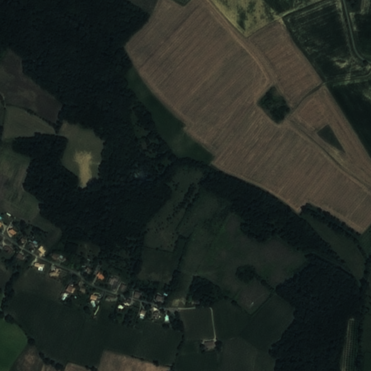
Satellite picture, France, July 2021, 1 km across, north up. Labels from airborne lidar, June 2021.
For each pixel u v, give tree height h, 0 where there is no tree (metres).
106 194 20
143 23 17
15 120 0
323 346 25
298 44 0
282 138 0
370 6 0
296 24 0
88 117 13
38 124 0
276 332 0
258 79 0
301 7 0
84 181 0
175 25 0
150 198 17
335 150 0
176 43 0
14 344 0
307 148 0
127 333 0
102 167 19
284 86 0
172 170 16
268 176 0
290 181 0
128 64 23
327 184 0
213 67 0
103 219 23
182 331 13
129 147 22
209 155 0
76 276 10
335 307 23
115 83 23
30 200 0
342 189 0
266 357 0
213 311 0
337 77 0
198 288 15
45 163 23
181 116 0
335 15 0
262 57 0
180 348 11
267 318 0
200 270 0
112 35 21
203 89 0
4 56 0
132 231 13
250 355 0
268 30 0
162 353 0
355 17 0
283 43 0
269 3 0
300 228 18
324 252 16
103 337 0
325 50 0
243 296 0
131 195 18
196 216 0
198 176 0
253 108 0
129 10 26
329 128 0
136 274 15
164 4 0
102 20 28
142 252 9
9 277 0
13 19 26
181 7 0
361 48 0
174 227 0
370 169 0
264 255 0
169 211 0
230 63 0
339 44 0
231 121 0
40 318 0
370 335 0
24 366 0
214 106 0
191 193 8
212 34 0
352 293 25
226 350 0
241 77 0
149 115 22
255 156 0
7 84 0
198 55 0
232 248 0
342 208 0
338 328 26
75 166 0
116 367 0
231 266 0
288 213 17
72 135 0
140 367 0
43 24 25
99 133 14
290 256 0
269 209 20
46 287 0
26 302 0
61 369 14
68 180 20
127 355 0
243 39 0
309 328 25
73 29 34
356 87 0
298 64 0
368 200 0
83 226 16
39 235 8
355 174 0
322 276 24
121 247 10
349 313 24
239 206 18
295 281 20
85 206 21
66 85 21
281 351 20
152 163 11
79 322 0
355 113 0
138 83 0
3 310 13
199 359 0
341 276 18
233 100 0
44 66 24
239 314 0
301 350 26
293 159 0
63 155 11
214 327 0
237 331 0
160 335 0
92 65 24
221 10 0
